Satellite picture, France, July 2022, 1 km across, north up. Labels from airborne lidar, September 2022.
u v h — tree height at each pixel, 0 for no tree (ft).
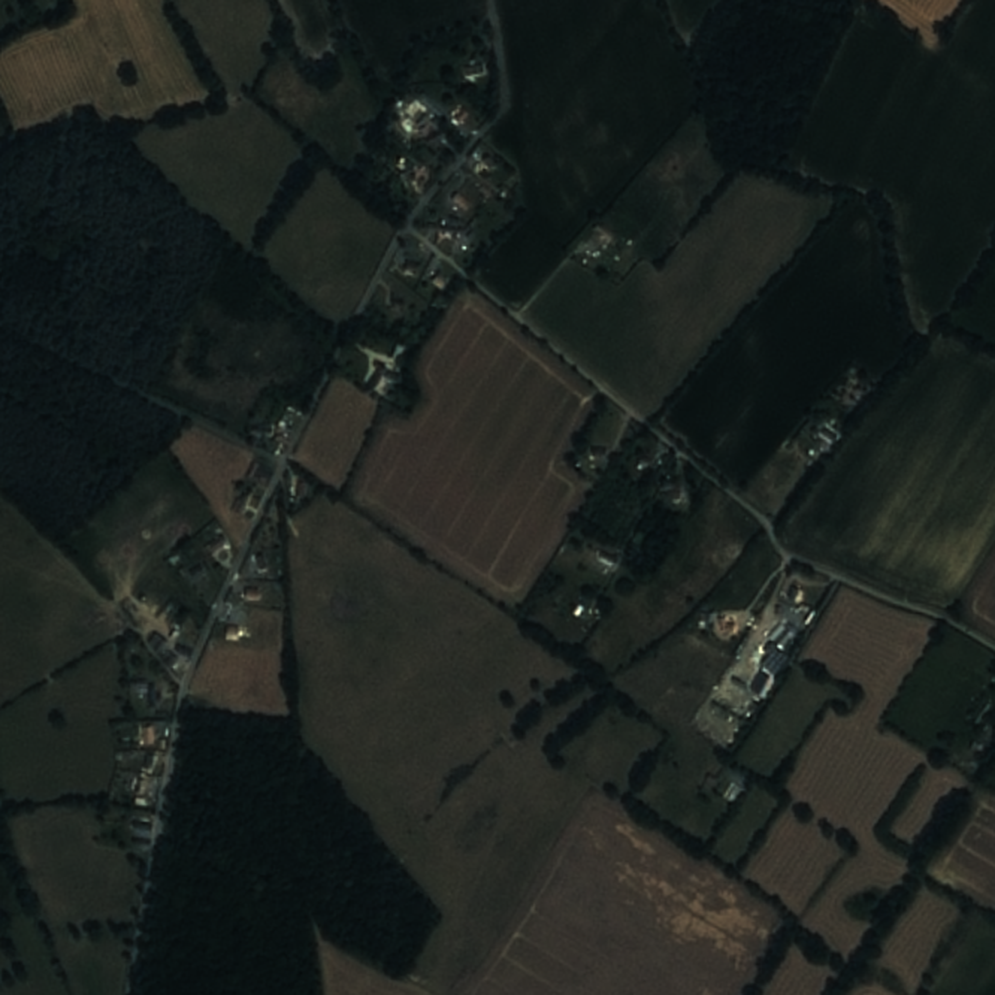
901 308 62
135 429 48
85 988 0
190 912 62
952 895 57
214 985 64
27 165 68
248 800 52
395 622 0
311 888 51
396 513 0
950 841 44
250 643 0
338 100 0
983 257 27
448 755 0
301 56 62
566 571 0
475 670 0
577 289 0
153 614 0
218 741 44
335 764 0
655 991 0
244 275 22
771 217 0
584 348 0
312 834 58
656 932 0
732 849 0
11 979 45
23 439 52
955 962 0
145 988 61
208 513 0
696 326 0
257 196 0
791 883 0
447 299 28
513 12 0
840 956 31
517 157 0
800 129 58
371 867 65
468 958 0
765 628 0
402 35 0
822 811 0
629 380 0
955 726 0
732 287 0
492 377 0
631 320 0
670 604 0
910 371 37
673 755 0
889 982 0
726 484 32
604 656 0
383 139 72
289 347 0
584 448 51
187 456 0
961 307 32
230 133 0
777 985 0
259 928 58
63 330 48
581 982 0
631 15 0
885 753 0
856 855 34
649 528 27
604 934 0
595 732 0
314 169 41
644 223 0
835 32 34
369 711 0
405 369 31
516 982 0
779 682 36
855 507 0
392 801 0
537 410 0
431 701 0
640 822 54
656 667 0
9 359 45
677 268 0
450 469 0
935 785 0
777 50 57
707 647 0
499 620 0
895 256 32
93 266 79
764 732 0
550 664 0
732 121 20
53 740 0
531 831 0
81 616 0
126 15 0
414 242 0
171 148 0
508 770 0
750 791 24
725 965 0
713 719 0
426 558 34
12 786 0
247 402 0
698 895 0
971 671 0
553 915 0
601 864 0
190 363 20
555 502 0
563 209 0
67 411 47
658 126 0
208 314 0
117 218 65
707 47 45
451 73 47
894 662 0
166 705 0
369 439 24
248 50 0
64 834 0
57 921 0
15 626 0
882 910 53
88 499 53
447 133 20
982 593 0
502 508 0
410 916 58
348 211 0
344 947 43
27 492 71
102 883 0
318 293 0
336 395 0
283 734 47
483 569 0
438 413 0
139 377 57
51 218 73
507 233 36
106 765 0
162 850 49
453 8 0
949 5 0
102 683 0
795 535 0
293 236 0
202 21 0
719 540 0
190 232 72
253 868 42
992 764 55
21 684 0
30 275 60
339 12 32
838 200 50
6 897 0
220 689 0
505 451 0
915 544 0
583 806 0
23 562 0
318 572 0
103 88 0
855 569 0
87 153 53
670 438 26
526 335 35
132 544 0
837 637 0
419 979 0
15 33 52
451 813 0
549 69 0
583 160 0
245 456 0
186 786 49
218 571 26
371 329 31
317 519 0
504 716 0
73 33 0
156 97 0
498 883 0
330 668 0
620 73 0
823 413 21
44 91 0
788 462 0
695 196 0
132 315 64
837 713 34
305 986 60
